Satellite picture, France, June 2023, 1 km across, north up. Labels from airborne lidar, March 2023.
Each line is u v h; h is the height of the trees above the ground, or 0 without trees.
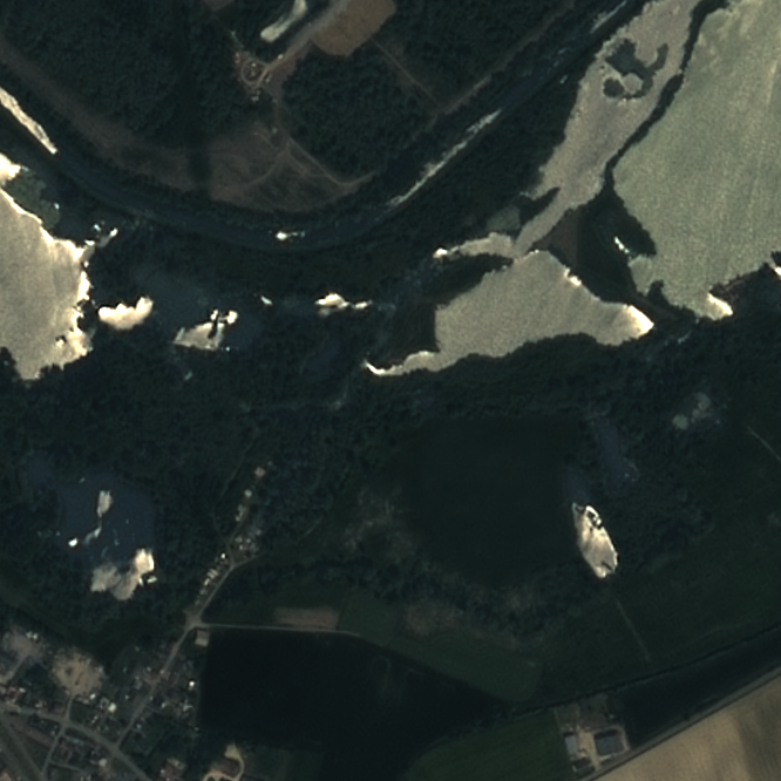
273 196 26
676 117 0
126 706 0
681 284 0
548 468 0
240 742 8
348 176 7
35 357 0
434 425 0
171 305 0
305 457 22
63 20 18
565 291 0
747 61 0
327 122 12
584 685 0
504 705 0
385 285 11
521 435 0
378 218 0
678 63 0
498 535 0
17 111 0
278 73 10
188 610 0
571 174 0
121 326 0
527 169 13
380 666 0
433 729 0
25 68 28
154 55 23
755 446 0
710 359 7
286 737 0
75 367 7
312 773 0
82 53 18
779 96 0
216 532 9
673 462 7
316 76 15
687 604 0
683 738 0
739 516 0
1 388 25
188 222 0
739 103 0
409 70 16
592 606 0
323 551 0
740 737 0
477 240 0
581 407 20
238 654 0
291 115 0
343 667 0
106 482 0
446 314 0
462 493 0
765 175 0
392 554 0
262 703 0
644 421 8
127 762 0
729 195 0
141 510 0
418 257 12
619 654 0
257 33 13
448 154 0
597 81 0
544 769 0
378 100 20
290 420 28
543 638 0
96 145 21
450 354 0
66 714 0
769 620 0
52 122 11
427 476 0
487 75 28
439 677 0
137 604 10
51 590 20
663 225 0
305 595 0
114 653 0
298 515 16
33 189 0
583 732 0
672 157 0
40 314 0
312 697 0
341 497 0
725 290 13
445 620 0
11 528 27
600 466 6
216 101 18
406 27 15
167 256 8
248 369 13
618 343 0
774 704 0
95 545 0
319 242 0
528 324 0
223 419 11
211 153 27
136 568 0
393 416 14
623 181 0
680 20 0
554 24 27
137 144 25
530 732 0
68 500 0
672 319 0
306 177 30
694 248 0
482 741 0
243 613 0
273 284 0
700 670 0
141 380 7
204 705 0
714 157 0
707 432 6
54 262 0
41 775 0
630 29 0
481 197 0
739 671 0
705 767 0
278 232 0
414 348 0
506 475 0
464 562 0
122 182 7
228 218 12
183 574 11
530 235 0
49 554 27
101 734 0
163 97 22
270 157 30
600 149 0
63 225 0
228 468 8
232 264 0
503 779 0
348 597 0
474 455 0
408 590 18
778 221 0
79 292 0
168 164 31
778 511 0
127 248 9
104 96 19
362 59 14
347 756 0
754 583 0
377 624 0
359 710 0
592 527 0
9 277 0
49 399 18
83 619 22
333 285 8
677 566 0
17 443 22
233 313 0
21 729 0
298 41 0
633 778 0
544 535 0
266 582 22
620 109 0
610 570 21
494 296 0
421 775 0
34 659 0
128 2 14
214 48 8
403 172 29
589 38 0
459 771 0
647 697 0
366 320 8
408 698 0
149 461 28
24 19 16
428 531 0
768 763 0
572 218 0
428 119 18
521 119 7
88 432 29
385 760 0
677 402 8
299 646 0
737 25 0
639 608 0
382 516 0
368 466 22
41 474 0
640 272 0
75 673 0
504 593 0
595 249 0
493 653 0
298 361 11
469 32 10
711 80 0
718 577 0
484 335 0
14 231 0
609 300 0
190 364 10
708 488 0
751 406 0
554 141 7
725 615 0
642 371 14
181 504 16
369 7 0
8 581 0
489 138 6
